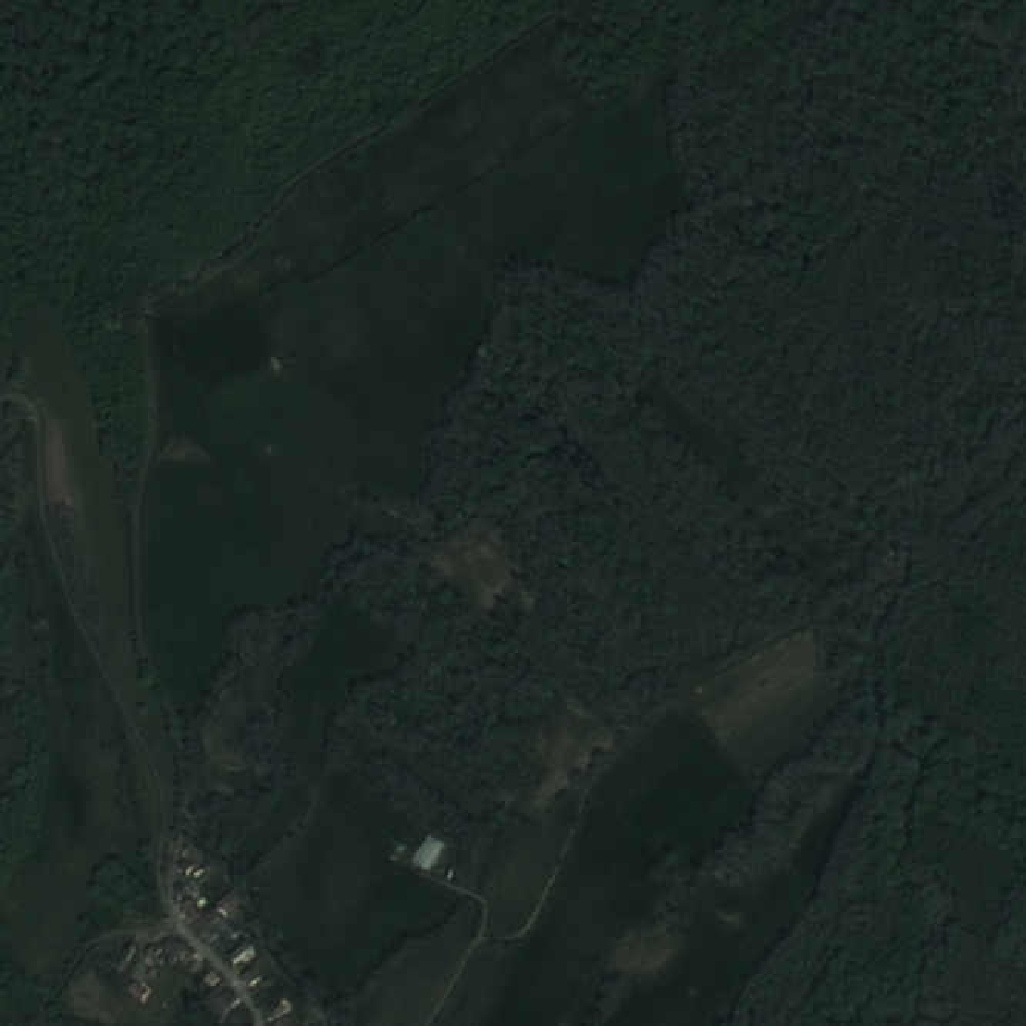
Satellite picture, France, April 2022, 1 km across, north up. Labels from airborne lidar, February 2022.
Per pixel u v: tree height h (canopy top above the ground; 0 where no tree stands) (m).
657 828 0
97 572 0
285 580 0
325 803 0
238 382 0
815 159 27
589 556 15
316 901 0
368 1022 0
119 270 12
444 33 8
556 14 14
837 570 0
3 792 9
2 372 0
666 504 14
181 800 13
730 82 26
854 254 20
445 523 22
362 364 0
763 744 0
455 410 18
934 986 19
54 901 0
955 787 27
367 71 13
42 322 0
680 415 0
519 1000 0
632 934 0
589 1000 0
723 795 0
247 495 0
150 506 0
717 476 26
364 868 0
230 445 0
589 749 0
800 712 0
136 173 22
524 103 0
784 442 29
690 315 24
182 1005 0
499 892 0
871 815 27
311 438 0
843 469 18
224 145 8
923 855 16
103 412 17
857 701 12
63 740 0
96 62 25
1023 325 19
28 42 25
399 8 8
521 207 0
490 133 0
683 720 0
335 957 0
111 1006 0
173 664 0
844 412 17
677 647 23
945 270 23
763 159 21
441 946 0
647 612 23
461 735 13
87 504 0
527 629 26
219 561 0
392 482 0
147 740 0
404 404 0
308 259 0
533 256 0
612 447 0
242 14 27
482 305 0
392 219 0
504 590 0
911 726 26
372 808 0
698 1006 0
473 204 0
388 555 27
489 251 0
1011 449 20
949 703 21
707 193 21
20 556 22
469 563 0
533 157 0
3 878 16
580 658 22
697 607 20
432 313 0
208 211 6
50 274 25
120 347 9
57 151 23
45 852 0
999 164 13
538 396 23
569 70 21
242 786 0
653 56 23
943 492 19
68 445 0
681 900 0
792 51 9
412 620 29
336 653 0
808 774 30
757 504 0
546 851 0
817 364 14
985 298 21
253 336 0
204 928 0
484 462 14
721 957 0
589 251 0
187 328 0
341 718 14
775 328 15
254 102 12
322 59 13
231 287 0
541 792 0
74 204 26
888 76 30
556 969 0
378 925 0
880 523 10
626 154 0
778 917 0
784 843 21
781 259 25
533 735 23
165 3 27
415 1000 0
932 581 19
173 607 0
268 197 7
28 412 0
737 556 23
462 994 0
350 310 0
